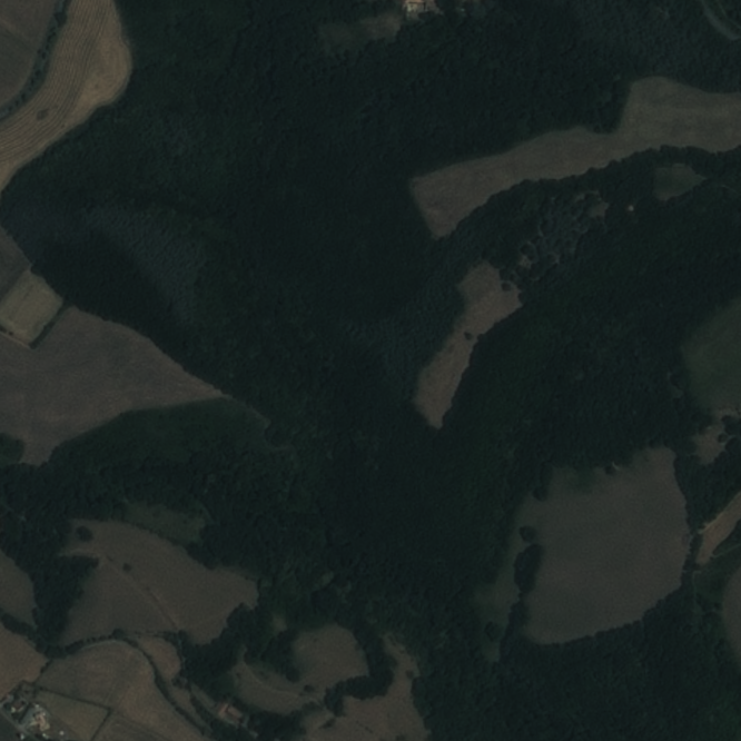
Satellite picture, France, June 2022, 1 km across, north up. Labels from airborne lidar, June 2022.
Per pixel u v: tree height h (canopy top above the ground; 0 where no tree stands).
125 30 0
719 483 16
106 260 30
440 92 28
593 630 0
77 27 0
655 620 19
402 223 10
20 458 5
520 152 0
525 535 16
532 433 26
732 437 12
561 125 9
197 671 15
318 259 14
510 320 15
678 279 18
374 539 22
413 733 0
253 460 15
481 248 19
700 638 19
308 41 20
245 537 22
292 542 24
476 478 15
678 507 0
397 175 13
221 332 21
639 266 17
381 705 0
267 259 24
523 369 20
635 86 0
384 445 19
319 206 14
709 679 21
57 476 24
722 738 18
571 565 0
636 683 23
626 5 18
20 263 0
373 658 16
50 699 0
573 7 26
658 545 0
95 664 0
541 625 0
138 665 0
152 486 23
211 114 19
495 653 0
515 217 19
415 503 17
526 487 20
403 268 11
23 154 0
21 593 0
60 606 29
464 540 13
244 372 18
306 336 20
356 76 22
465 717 26
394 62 22
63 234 23
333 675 0
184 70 19
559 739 26
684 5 17
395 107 25
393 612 20
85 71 0
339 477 24
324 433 28
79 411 0
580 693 21
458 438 14
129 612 0
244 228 28
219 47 18
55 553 22
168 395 0
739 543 14
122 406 0
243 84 20
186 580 0
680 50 22
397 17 0
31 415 0
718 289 20
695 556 9
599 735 23
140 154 19
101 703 0
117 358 0
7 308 0
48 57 10
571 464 15
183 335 23
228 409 0
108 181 13
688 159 18
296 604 9
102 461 9
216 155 17
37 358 0
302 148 15
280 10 19
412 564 22
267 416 10
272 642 8
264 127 29
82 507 24
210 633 0
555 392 25
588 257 15
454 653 21
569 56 22
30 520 18
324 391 29
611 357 9
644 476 0
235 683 0
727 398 0
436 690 22
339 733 0
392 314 18
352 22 13
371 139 21
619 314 28
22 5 0
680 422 16
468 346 0
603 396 16
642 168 17
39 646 11
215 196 17
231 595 0
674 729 23
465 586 15
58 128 0
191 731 0
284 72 27
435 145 20
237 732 10
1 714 0
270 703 0
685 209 13
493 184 0
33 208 24
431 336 18
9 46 0
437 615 29
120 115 16
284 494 22
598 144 0
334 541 25
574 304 18
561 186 13
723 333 0
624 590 0
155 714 0
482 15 32
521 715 27
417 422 18
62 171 20
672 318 20
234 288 15
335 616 17
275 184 19
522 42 18
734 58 14
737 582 0
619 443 16
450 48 17
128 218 28
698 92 0
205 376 16
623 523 0
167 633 7
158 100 18
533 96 27
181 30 18
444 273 19
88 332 0
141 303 27
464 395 15
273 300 23
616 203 16
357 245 14
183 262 29
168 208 23
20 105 10
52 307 0
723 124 0
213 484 17
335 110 25
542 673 26
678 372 21
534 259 19
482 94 28
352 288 15
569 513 0
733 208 12
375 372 22
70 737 0
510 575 0
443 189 0
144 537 0
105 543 0
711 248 21
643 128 0
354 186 17
